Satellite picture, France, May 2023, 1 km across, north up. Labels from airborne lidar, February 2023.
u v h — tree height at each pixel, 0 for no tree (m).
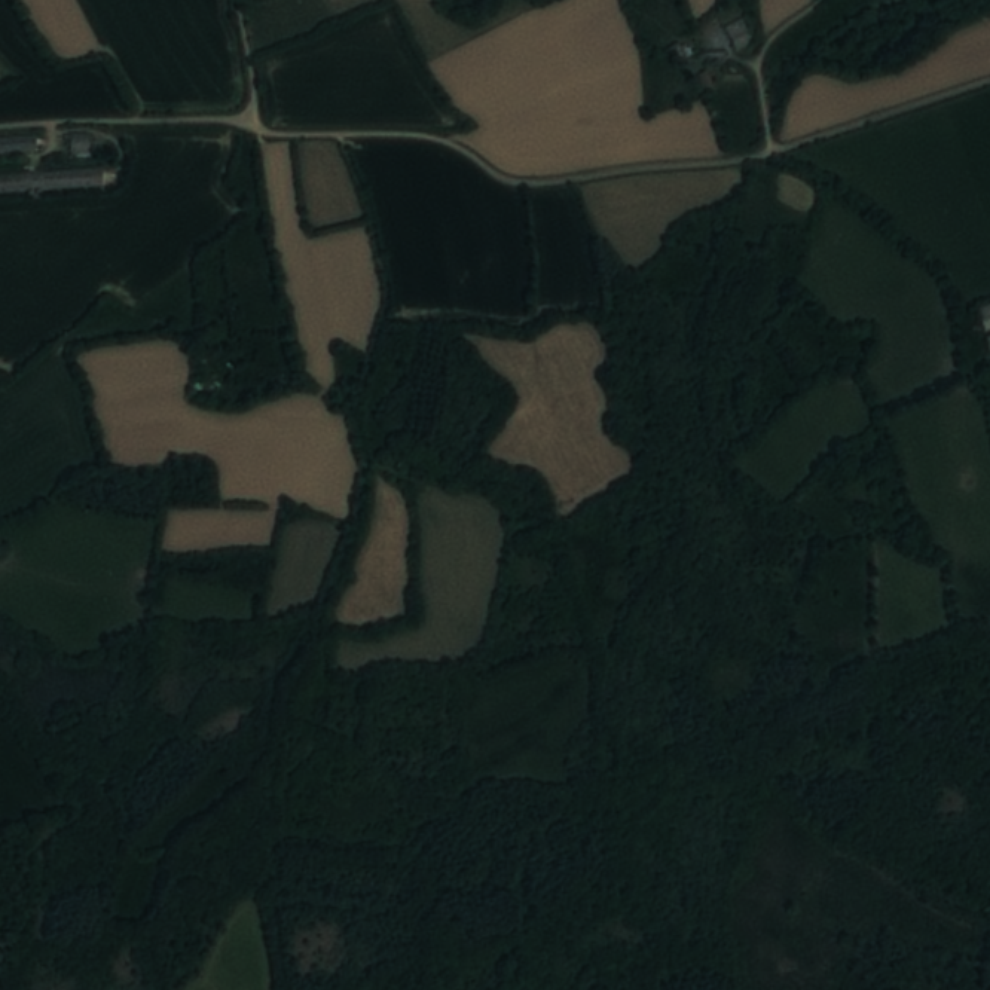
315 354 0
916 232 0
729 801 11
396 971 13
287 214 0
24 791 0
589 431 0
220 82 0
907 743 15
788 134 0
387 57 0
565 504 0
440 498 0
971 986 18
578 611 13
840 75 20
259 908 7
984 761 12
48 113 0
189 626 8
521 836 10
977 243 0
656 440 9
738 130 0
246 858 15
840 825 13
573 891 15
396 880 8
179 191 0
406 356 15
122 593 0
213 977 0
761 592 6
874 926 0
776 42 0
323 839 7
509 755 0
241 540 0
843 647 0
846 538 6
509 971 14
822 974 0
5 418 0
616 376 20
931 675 7
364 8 10
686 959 13
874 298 0
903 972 17
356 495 7
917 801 13
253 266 0
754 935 0
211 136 0
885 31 20
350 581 12
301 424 0
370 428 0
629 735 12
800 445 0
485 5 19
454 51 0
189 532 0
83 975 6
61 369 0
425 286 0
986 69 0
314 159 0
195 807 0
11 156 12
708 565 14
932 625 0
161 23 0
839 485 10
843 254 0
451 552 0
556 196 0
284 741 9
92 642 0
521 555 8
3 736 0
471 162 0
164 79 0
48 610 0
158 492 11
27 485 0
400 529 0
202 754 15
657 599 7
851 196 13
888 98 0
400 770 14
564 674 0
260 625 13
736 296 10
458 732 9
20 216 0
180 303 0
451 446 7
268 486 0
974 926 21
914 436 0
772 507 17
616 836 11
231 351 16
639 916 16
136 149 0
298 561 0
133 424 0
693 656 7
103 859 11
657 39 0
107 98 0
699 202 0
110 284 0
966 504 0
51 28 0
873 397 13
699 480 8
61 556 0
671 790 9
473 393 14
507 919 26
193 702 7
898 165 0
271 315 0
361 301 0
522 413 0
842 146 0
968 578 0
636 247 0
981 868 15
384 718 7
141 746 15
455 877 20
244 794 11
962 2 9
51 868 9
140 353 0
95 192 12
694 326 13
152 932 17
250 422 0
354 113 0
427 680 12
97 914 17
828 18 0
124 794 25
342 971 9
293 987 17
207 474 9
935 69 0
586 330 0
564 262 0
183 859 14
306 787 6
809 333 0
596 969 13
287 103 0
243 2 16
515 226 0
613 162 0
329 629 17
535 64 0
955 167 0
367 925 16
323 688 0
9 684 12
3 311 0
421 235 0
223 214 0
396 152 0
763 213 0
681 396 8
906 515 7
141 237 0
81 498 20
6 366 0
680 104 15
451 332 12
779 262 0
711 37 0
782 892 0
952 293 16
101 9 0
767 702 9
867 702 19
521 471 12
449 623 0
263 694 8
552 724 0
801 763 11
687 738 14
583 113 0
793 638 15
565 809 10
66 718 10
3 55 0
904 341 0
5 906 6
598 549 0
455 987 12
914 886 17
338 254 0
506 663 9
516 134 0
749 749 16
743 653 7
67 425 0
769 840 0
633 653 11
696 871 8
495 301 0
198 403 8
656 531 10
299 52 0
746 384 20
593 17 0
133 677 8
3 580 0
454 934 20
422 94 0
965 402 0
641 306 7
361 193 11
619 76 0
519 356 0
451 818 15
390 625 12
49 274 0
